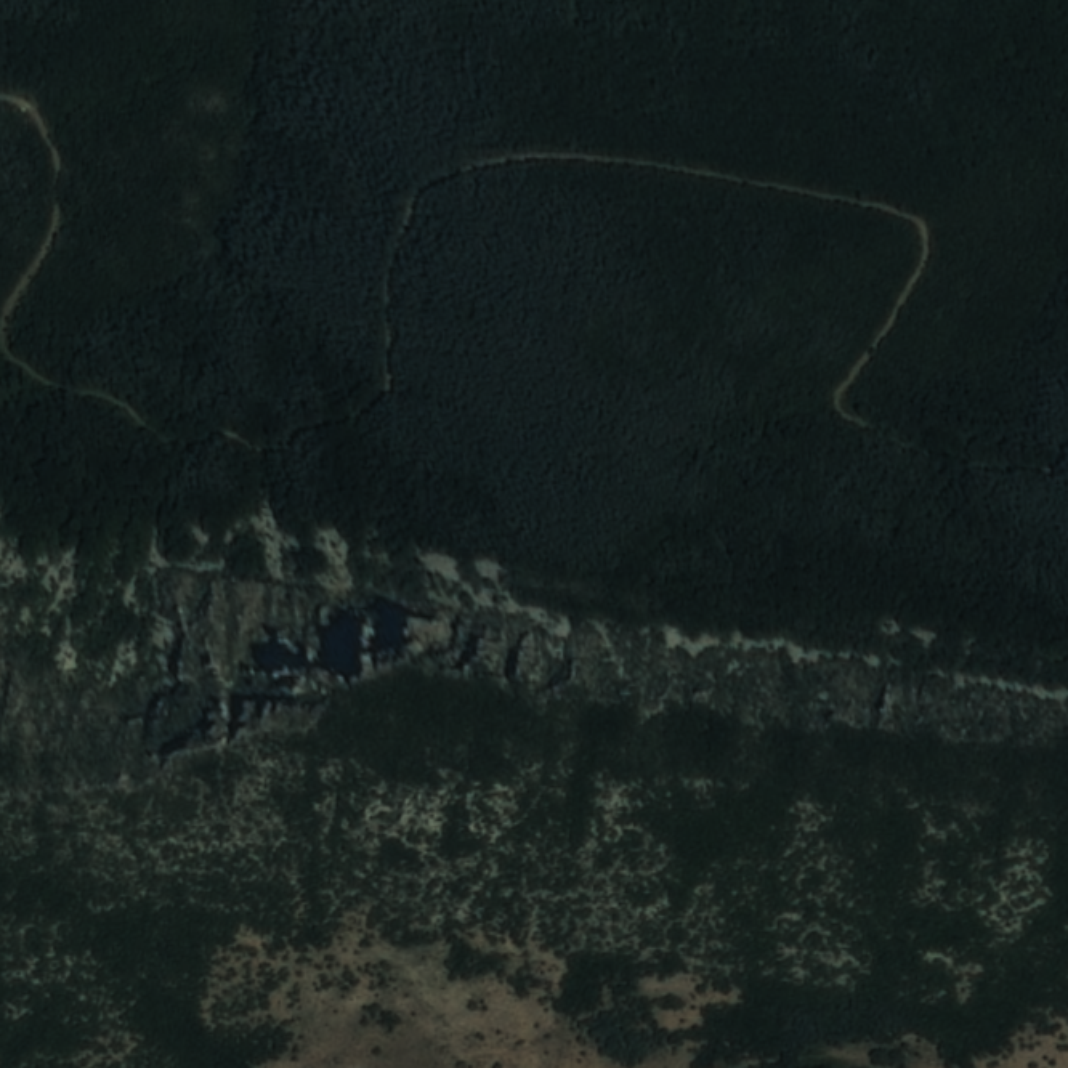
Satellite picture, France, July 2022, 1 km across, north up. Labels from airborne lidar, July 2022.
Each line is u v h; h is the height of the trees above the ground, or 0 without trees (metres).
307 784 7
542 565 9
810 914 6
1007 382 13
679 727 9
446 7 10
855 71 17
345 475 14
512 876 6
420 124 15
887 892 7
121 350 19
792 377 16
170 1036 9
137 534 13
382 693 6
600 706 7
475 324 8
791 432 31
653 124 13
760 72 14
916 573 16
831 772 6
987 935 7
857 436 14
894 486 18
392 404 18
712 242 11
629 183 11
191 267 12
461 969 6
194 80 10
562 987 6
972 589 10
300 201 15
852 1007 14
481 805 8
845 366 13
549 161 8
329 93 7
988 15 18
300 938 6
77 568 9
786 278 10
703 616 13
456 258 9
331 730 6
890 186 12
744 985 8
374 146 11
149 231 11
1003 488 20
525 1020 0
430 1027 0
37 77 6
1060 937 6
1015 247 10
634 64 11
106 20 15
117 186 13
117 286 8
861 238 10
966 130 19
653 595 8
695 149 13
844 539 17
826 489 17
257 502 7
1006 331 15
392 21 7
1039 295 14
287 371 13
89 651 6
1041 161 13
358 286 12
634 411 17
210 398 19
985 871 6
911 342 12
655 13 13
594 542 11
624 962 6
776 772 5
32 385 6
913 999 6
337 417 12
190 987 7
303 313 19
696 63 15
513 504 14
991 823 6
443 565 0
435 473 10
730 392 24
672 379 18
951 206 9
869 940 5
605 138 9
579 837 6
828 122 15
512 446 14
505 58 14
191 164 7
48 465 22
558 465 12
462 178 14
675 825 5
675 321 9
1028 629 11
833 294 14
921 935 6
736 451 18
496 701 7
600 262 12
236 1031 6
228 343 15
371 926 8
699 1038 8
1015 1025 7
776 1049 11
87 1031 6
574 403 9
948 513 8
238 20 9
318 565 12
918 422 20
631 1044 13
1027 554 16
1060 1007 6
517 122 10
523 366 11
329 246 12
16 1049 6
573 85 14
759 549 13
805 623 7
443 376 12
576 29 17
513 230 12
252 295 12
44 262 10
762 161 12
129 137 12
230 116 7
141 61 16
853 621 12
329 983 6
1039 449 16
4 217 20
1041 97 17
